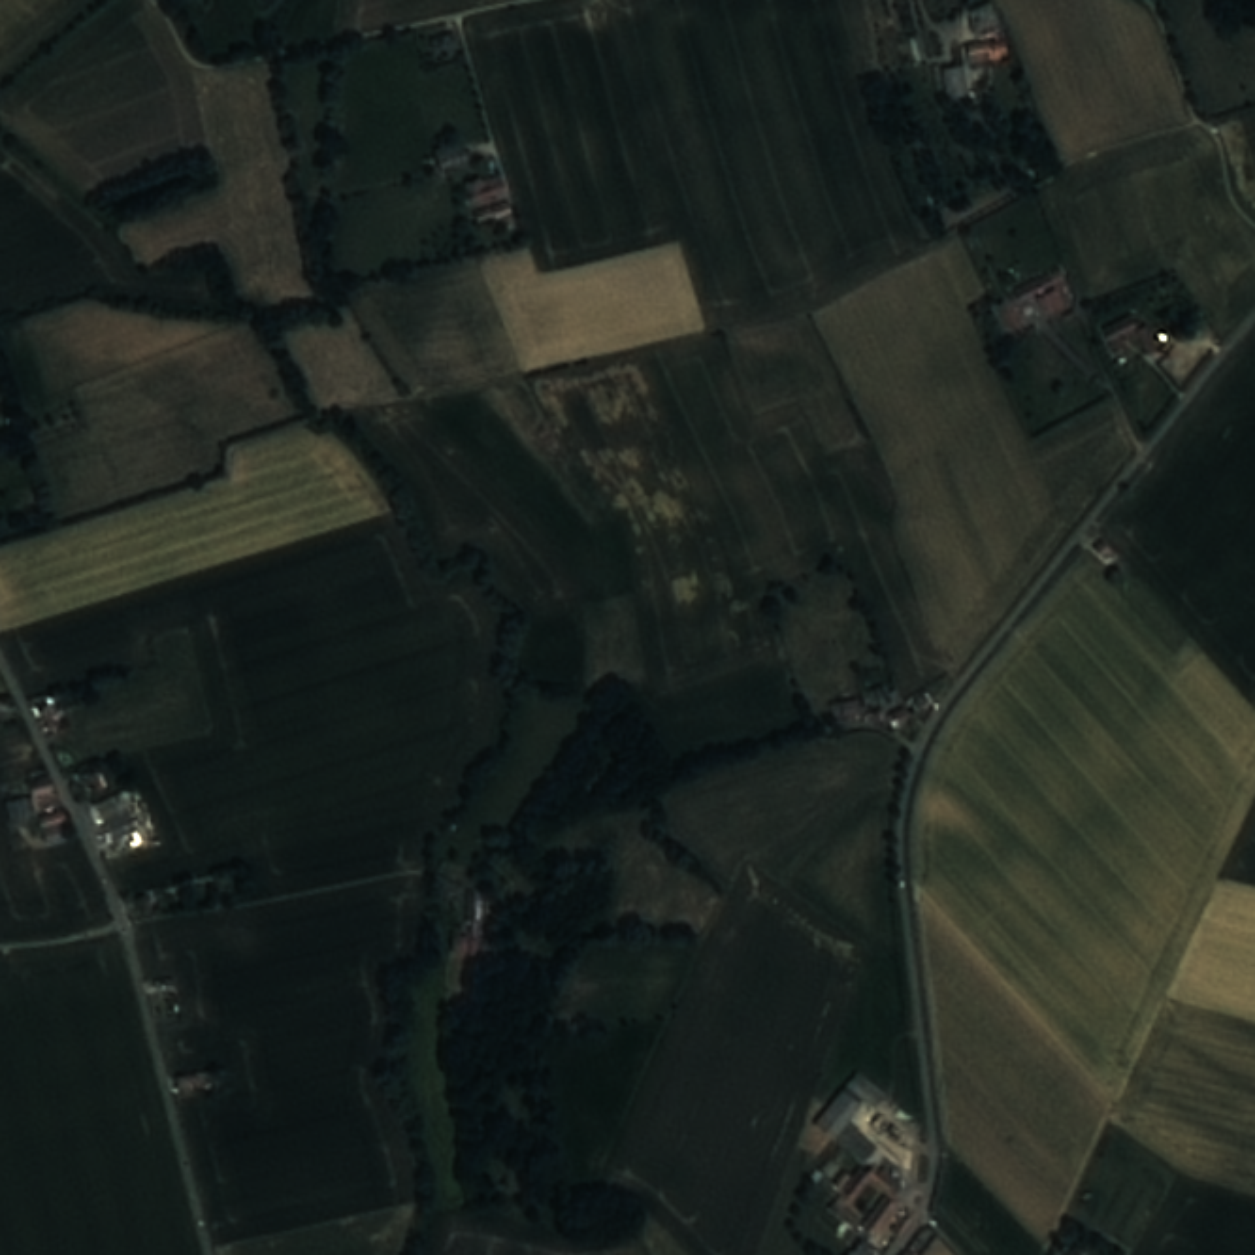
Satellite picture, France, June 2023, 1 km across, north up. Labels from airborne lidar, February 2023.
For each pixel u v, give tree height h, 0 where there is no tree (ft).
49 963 0
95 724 0
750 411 0
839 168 0
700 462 0
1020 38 0
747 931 0
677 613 0
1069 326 0
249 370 0
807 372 0
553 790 43
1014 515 0
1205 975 0
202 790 0
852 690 0
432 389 0
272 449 0
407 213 0
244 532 0
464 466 0
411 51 0
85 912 0
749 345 0
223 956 0
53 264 0
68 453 0
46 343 0
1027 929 0
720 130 0
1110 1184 0
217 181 35
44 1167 0
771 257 0
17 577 0
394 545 0
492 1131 66
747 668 0
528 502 0
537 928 49
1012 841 0
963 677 0
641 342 0
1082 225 0
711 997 0
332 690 0
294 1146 0
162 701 0
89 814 0
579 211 0
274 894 0
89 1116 0
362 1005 0
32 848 0
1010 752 0
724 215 0
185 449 0
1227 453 0
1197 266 0
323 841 0
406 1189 0
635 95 0
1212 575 0
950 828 0
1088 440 0
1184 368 0
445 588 0
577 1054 0
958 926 0
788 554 0
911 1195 0
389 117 0
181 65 0
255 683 0
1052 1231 0
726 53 0
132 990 0
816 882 0
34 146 0
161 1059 0
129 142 0
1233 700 0
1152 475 0
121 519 0
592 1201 65
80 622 0
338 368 0
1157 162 0
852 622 0
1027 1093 0
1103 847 0
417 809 0
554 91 0
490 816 0
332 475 0
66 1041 0
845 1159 0
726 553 0
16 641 0
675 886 0
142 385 0
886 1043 0
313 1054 0
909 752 32
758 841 0
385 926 0
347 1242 0
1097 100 0
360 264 0
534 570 0
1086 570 0
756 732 0
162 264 26
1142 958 0
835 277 0
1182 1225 0
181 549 0
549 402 0
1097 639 0
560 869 52
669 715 0
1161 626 0
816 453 0
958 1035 0
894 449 0
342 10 0
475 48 0
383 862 0
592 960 0
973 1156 0
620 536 0
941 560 0
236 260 0
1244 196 0
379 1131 0
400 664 0
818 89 0
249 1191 0
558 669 0
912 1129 0
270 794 0
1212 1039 0
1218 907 0
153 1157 0
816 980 0
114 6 0
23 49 0
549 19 0
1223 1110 0
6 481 0
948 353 0
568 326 0
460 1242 0
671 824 0
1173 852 0
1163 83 0
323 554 0
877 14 0
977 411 0
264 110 0
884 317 0
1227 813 0
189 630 0
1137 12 0
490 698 0
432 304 0
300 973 0
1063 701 0
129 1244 0
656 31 0
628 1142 0
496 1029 65
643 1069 0
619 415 0
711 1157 0
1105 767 0
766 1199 0
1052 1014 0
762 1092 0
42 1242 0
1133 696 0
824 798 0
